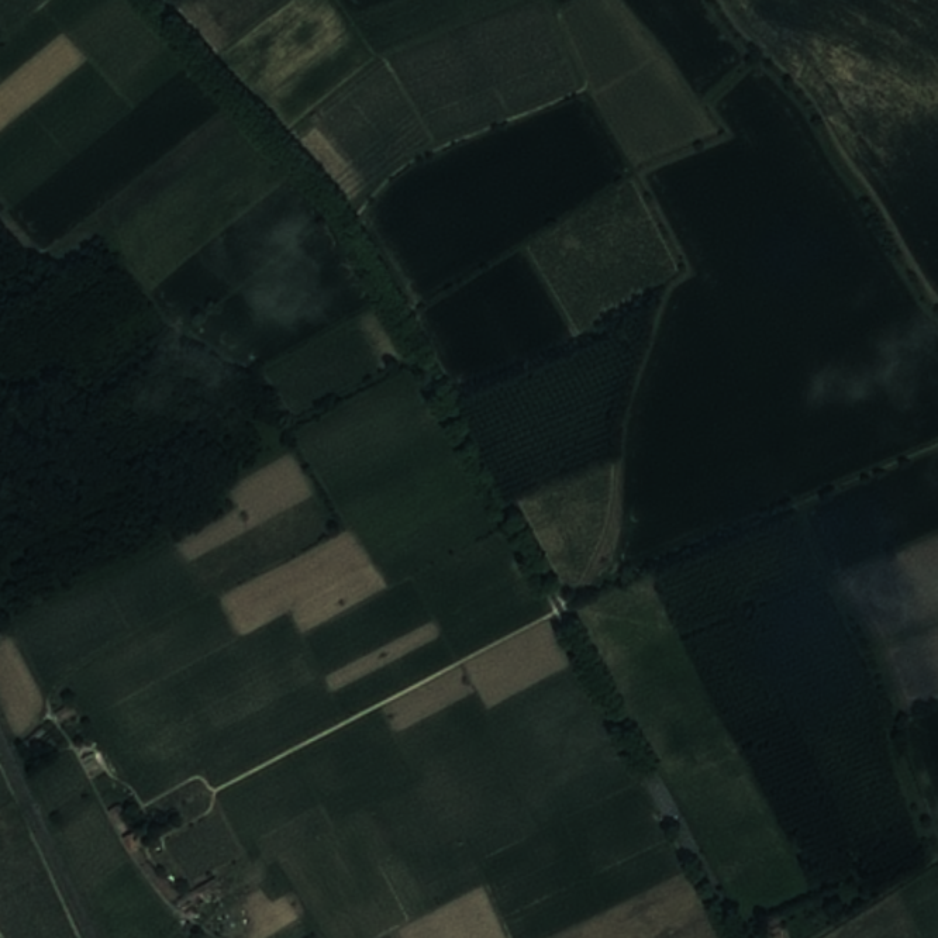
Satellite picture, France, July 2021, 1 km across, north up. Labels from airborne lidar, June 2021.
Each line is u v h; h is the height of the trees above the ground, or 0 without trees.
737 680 31
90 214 0
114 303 8
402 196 0
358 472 0
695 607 30
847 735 33
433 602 0
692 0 0
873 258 0
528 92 0
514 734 0
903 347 0
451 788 0
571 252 0
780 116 0
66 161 0
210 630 0
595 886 0
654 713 0
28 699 0
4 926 0
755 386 0
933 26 0
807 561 27
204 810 0
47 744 16
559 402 24
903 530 0
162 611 0
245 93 29
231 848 0
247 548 0
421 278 0
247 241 0
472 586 0
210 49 25
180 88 0
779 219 0
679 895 0
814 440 0
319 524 0
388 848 0
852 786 31
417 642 0
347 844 0
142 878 0
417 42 0
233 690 0
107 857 0
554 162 0
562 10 0
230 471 32
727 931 29
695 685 0
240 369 17
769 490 0
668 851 0
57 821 6
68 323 10
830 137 0
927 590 0
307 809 0
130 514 9
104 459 39
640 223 0
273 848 0
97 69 0
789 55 0
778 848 0
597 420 27
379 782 0
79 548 22
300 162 32
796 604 32
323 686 0
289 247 0
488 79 0
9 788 0
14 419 38
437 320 0
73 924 0
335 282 0
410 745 0
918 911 0
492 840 0
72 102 0
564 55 0
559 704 0
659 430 0
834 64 0
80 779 0
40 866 0
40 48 0
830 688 33
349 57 0
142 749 0
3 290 26
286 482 0
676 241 0
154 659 0
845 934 0
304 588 0
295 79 0
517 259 0
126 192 0
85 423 38
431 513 0
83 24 0
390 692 0
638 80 0
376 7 0
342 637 0
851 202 0
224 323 0
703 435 0
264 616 0
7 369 7
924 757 0
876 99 0
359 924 0
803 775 35
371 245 24
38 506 23
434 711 0
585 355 23
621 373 21
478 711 0
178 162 0
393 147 0
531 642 0
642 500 0
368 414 0
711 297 0
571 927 0
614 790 0
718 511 0
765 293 0
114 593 0
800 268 0
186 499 37
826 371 0
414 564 0
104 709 0
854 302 0
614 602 0
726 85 0
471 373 0
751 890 0
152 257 0
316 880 0
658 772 24
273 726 0
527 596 0
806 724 30
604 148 0
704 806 0
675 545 0
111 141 0
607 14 0
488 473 26
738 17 0
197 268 0
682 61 0
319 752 0
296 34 0
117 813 0
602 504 0
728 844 0
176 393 17
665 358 0
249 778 0
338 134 0
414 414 0
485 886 0
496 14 0
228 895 0
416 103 0
